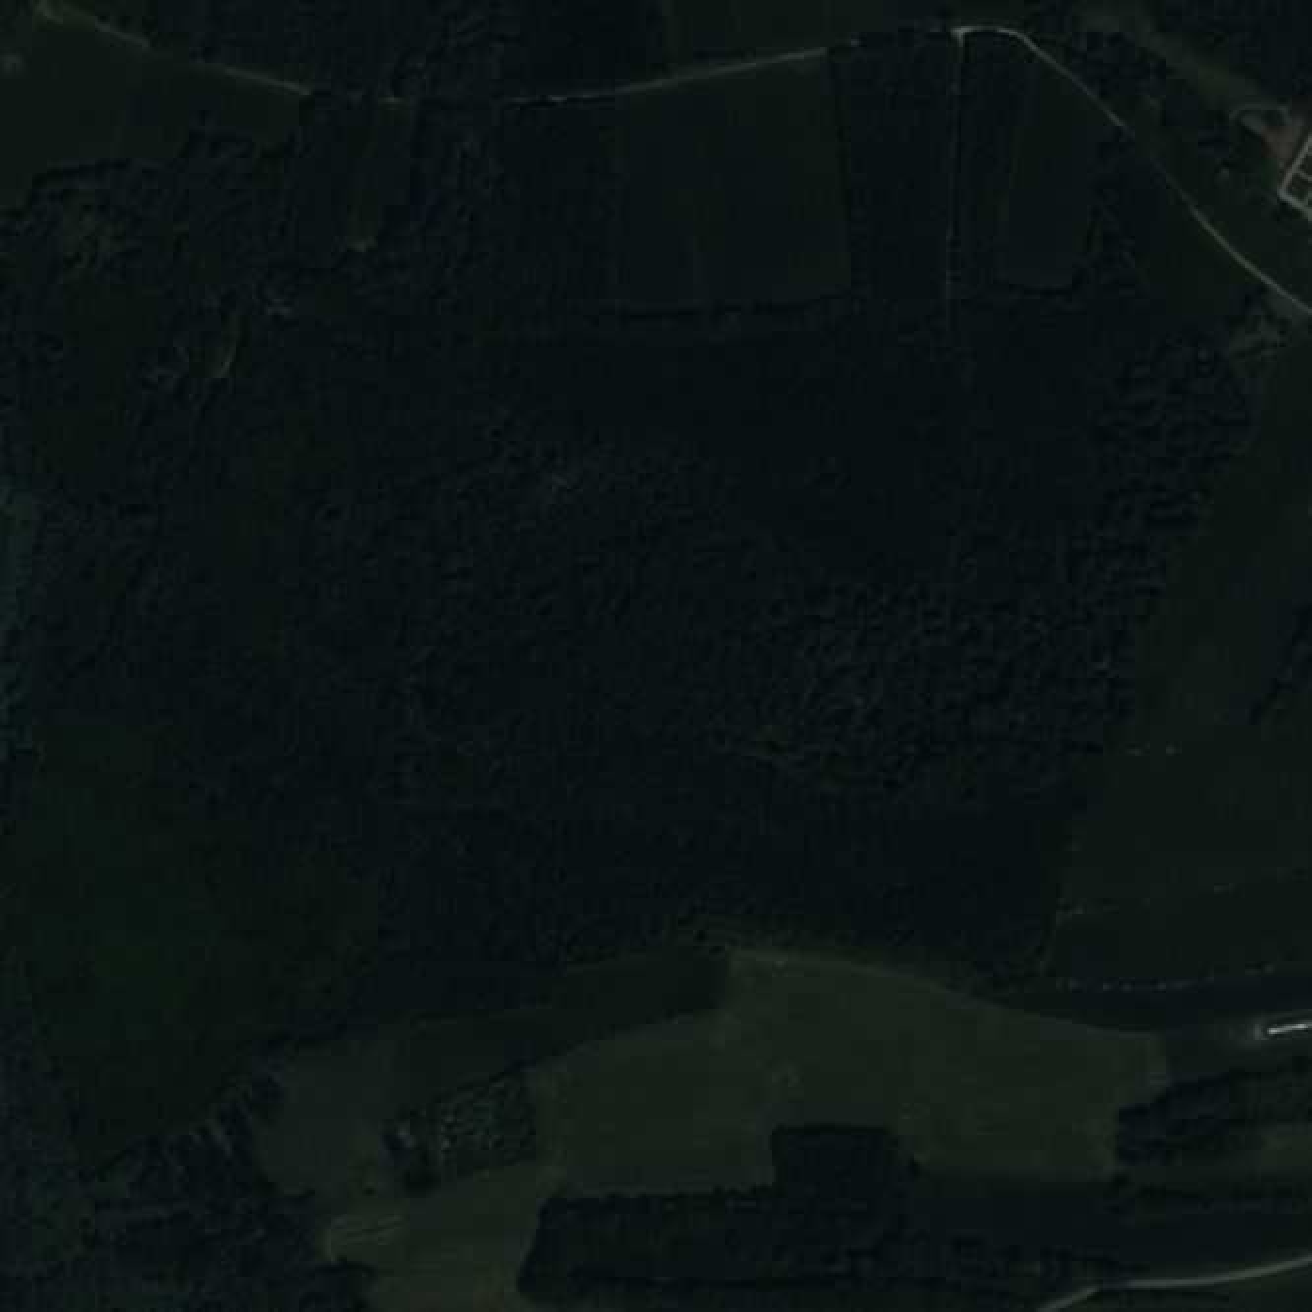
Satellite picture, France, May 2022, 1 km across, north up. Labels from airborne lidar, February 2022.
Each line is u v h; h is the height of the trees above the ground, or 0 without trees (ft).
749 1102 0
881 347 47
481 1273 0
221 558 40
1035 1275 20
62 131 0
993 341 28
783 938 23
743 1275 0
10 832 42
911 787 36
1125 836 0
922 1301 68
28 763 73
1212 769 0
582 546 64
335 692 52
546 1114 0
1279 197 0
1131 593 87
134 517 80
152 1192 58
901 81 54
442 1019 43
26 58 0
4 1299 70
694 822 49
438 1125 17
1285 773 0
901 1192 35
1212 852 0
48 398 36
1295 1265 0
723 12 0
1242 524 0
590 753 47
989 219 34
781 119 0
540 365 46
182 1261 92
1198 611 0
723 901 23
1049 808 53
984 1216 0
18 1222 68
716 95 0
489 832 48
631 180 0
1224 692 0
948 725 41
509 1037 0
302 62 38
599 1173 0
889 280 53
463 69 83
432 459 53
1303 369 0
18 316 57
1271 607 0
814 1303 72
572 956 21
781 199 0
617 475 68
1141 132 0
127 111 0
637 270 0
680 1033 0
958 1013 0
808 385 41
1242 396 83
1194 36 63
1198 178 0
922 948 28
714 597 73
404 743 65
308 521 50
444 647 56
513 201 43
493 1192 0
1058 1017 0
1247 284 0
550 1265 79
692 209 0
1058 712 90
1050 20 43
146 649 45
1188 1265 0
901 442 53
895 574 44
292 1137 0
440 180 64
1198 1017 0
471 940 27
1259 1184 0
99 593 34
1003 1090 0
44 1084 58
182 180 57
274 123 0
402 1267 0
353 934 26
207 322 62
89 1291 69
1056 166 0
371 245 0
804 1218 77
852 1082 0
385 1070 0
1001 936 22
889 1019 0
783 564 34
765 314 57
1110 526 79
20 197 0
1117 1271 55
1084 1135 0
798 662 87
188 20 82
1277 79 70
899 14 0
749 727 90
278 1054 57
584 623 72
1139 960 0
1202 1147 67
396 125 0
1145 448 88
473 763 88
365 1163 0
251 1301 46
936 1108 0
